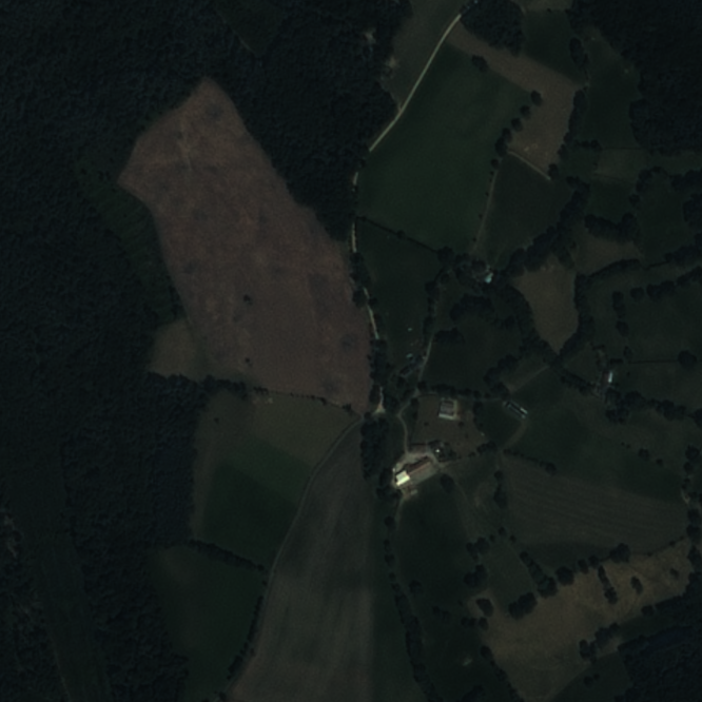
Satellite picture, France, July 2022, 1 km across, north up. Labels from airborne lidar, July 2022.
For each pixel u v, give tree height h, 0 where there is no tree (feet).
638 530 0
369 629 0
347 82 52
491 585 0
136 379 53
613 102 0
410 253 0
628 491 0
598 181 0
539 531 0
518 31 23
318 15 63
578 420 0
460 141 0
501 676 46
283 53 62
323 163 58
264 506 0
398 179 0
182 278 0
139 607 82
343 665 0
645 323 0
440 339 53
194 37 84
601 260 0
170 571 0
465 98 0
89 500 69
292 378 0
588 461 0
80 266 62
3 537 60
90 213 58
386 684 0
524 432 0
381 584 0
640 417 0
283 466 0
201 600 0
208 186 0
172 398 64
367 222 20
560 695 0
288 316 0
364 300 60
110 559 71
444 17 0
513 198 0
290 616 0
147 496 74
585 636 0
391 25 51
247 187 0
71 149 74
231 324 0
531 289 0
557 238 79
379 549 0
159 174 0
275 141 82
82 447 72
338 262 0
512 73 0
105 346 52
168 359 0
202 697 0
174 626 0
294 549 0
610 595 57
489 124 0
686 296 0
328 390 0
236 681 0
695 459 75
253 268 0
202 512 0
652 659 75
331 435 0
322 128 73
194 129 0
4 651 71
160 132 0
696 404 0
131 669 80
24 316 43
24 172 46
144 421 67
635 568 0
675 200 0
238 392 41
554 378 0
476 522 0
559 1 0
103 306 58
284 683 0
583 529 0
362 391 0
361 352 0
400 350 0
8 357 57
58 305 63
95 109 48
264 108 72
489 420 0
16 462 64
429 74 0
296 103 65
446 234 0
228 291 0
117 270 66
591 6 79
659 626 0
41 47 51
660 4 84
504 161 0
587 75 19
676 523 0
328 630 0
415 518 0
